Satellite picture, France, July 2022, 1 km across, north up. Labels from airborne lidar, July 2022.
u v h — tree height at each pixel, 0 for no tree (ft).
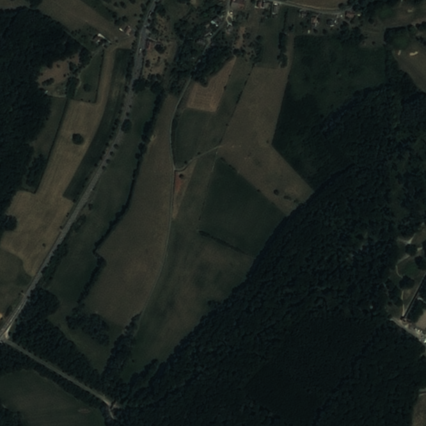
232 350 96
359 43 35
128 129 63
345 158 19
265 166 0
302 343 50
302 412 32
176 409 97
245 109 0
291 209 0
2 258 0
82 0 0
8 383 0
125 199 0
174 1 0
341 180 89
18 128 84
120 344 61
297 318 100
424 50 0
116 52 0
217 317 79
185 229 0
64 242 20
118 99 0
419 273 0
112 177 0
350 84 0
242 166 0
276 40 0
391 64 23
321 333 53
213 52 71
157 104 58
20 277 0
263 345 106
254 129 0
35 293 49
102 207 0
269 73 0
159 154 0
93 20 0
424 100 103
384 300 89
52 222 0
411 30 47
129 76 49
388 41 63
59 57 79
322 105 0
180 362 100
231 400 114
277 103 0
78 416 0
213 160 0
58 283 0
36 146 0
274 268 110
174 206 0
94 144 0
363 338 52
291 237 100
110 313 0
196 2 0
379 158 86
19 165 60
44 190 0
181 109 0
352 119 109
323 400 30
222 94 0
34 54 75
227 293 0
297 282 112
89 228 0
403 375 104
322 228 100
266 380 31
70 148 0
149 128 91
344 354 47
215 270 0
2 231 41
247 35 22
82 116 0
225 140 0
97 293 0
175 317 0
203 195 0
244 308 95
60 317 0
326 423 88
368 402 94
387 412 97
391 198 95
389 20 0
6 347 67
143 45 0
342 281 88
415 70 0
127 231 0
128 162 0
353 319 29
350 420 96
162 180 0
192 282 0
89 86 51
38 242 0
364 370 103
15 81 78
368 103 81
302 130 22
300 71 0
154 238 0
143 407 87
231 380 98
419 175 57
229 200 0
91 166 0
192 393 100
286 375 35
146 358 0
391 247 90
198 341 81
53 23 84
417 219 89
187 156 0
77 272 0
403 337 37
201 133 0
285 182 0
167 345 0
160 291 0
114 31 0
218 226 0
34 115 82
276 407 37
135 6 0
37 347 79
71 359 92
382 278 94
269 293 102
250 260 0
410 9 0
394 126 86
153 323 0
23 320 89
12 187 52
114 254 0
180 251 0
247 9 0
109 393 49
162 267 0
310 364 57
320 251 91
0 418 80
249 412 96
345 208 85
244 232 0
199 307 0
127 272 0
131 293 0
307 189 0
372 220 86
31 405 0
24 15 86
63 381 71
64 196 0
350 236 39
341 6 45
